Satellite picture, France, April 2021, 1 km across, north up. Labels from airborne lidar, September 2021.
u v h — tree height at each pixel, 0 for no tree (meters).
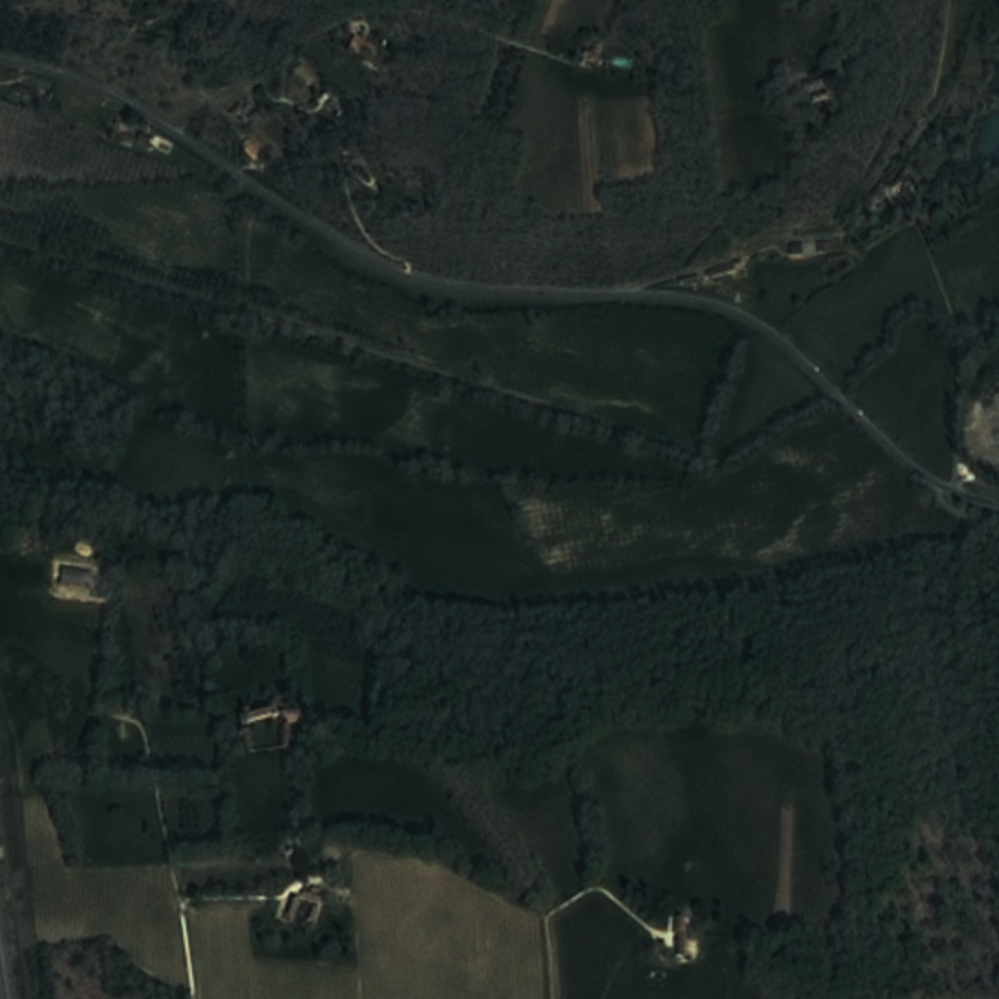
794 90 13
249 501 22
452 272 16
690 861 0
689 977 0
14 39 28
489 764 27
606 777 0
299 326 21
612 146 0
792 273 0
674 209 23
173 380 0
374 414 0
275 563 22
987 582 24
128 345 0
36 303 0
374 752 24
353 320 0
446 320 9
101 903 0
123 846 0
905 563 24
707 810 0
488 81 19
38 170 17
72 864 16
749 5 0
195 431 21
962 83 9
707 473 14
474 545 0
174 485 0
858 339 0
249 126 7
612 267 16
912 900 17
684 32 21
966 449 16
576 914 0
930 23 15
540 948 0
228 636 17
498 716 31
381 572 24
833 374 0
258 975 0
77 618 0
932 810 22
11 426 27
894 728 25
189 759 0
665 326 0
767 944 25
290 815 15
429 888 0
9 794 0
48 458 0
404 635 19
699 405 0
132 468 0
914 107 15
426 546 0
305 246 16
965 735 28
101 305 0
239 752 16
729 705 25
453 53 15
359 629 18
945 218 11
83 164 13
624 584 0
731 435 0
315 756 17
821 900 0
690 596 7
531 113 0
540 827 0
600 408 0
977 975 19
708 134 25
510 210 21
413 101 14
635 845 0
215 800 10
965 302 0
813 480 0
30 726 0
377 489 0
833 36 14
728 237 9
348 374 0
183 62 19
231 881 0
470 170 21
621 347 0
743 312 0
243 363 9
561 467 0
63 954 15
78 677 0
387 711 22
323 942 5
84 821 0
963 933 19
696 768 0
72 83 0
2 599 0
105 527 20
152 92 13
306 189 16
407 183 14
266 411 0
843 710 23
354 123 22
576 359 0
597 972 0
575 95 0
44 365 20
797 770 0
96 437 27
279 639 19
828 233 0
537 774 23
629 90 0
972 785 27
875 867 26
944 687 20
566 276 15
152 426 0
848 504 0
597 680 17
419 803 0
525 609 21
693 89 23
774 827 0
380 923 0
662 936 0
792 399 0
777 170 0
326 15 19
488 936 0
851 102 18
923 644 21
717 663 25
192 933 0
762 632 25
